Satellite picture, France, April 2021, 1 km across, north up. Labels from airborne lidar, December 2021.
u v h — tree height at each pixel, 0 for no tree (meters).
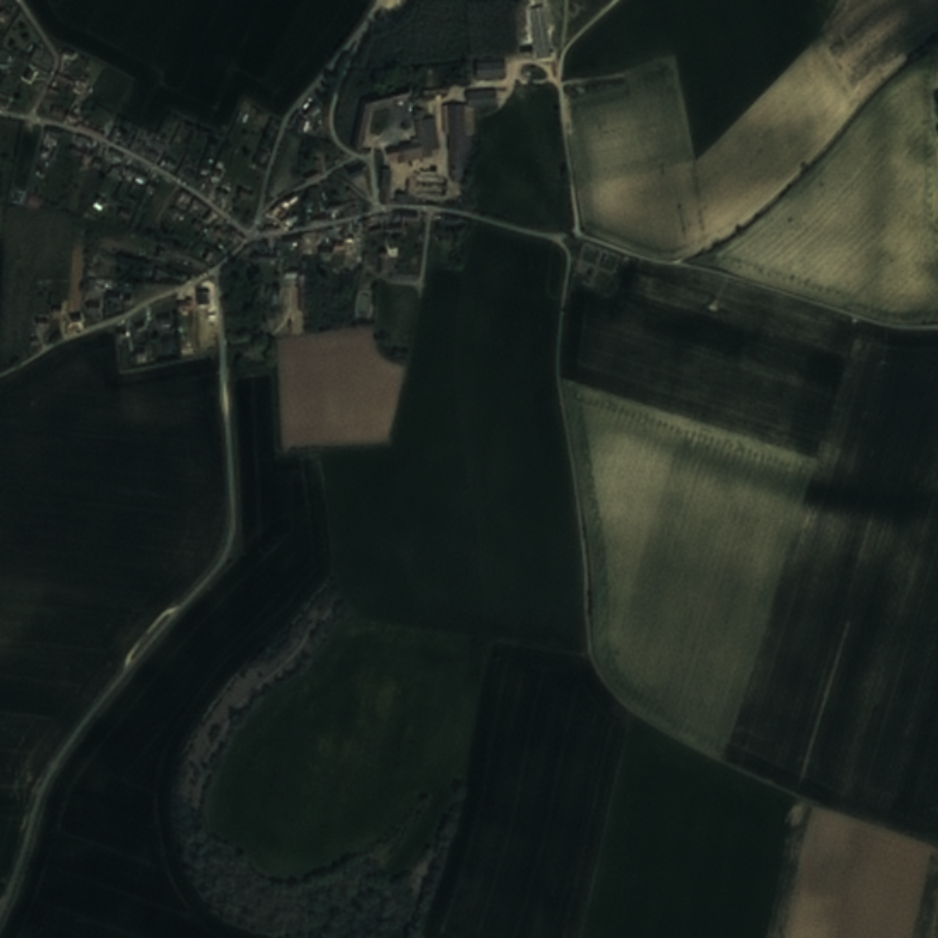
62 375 0
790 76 0
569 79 0
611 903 0
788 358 0
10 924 0
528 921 0
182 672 0
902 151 0
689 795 0
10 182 0
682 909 0
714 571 0
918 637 0
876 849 0
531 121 0
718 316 0
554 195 0
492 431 0
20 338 0
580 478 0
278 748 0
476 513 0
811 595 0
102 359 0
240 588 0
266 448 0
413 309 0
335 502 0
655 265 0
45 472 0
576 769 0
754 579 0
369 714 0
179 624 0
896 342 0
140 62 0
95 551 0
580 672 0
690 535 0
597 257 0
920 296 0
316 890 6
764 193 0
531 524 0
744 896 0
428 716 0
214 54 0
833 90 0
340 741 0
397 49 9
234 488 0
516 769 0
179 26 0
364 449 0
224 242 0
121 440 0
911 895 0
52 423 0
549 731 0
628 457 0
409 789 0
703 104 0
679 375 0
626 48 0
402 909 9
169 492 0
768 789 0
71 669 0
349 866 15
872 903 0
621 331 0
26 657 0
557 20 0
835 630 0
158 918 0
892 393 0
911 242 0
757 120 0
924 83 0
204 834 12
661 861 0
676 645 0
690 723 0
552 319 0
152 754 0
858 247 0
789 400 0
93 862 0
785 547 0
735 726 0
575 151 0
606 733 0
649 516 0
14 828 0
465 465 0
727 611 0
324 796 0
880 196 0
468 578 0
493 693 0
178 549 0
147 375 0
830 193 0
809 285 0
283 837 0
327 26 0
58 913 0
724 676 0
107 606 0
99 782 0
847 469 0
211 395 0
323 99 10
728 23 0
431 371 0
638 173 0
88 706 0
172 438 0
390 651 0
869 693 0
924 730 0
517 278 0
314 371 0
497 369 0
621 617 0
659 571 0
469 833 0
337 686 0
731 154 0
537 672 0
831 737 0
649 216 0
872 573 0
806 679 0
